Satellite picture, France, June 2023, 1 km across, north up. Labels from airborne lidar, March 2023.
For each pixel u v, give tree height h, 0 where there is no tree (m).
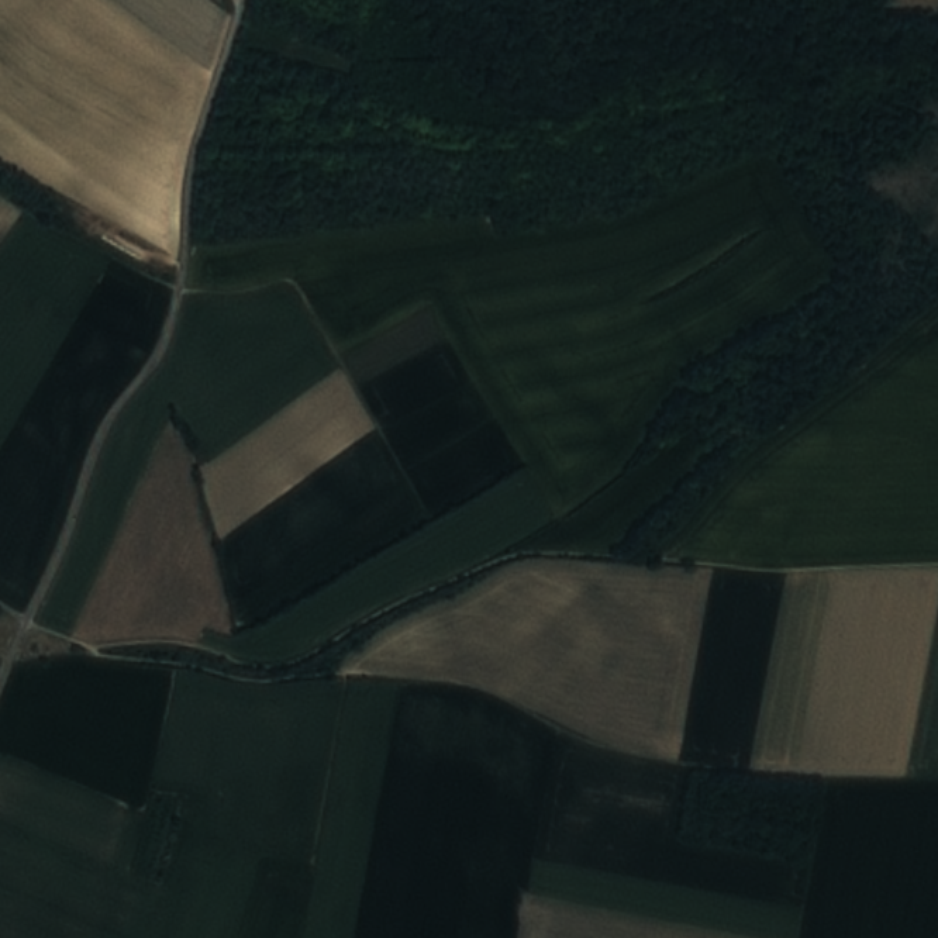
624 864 0
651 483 0
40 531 0
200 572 0
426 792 0
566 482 0
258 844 0
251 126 10
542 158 9
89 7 0
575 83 21
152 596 0
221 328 0
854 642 0
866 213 23
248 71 15
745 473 0
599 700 0
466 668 0
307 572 0
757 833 20
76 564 0
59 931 0
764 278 0
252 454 0
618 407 0
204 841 0
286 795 0
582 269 0
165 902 0
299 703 0
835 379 9
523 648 0
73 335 0
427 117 12
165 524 0
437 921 0
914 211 24
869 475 0
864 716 0
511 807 0
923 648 0
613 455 0
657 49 19
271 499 0
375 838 0
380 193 8
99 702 0
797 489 0
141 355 0
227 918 0
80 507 0
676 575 0
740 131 10
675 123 10
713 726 0
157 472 0
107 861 0
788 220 0
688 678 0
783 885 0
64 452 0
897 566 0
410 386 0
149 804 0
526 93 17
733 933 0
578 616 0
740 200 0
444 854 0
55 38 0
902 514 0
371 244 0
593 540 0
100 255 0
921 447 0
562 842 0
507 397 0
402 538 10
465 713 0
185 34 0
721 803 16
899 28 16
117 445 0
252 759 0
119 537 0
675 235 0
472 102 8
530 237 0
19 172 8
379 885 0
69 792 0
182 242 0
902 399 0
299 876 0
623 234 0
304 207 14
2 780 0
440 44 16
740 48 22
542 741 0
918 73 9
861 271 19
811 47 21
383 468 0
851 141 19
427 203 11
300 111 10
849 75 8
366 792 0
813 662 0
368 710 0
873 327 23
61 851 0
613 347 0
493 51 23
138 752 0
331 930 0
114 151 0
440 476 0
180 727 0
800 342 23
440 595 6
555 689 0
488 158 5
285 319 0
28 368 0
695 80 16
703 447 9
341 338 0
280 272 0
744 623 0
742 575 0
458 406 0
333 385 0
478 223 0
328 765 0
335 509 0
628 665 0
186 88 0
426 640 0
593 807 0
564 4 16
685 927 0
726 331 0
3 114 0
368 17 8
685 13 18
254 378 0
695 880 0
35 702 0
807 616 0
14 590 0
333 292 0
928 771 0
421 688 0
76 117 0
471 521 0
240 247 0
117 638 0
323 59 0
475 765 0
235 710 0
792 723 0
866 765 0
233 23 0
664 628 0
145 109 0
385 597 0
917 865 0
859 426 0
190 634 0
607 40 16
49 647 0
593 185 12
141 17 0
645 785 0
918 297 10
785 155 20
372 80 7
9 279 0
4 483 0
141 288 0
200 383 0
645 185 17
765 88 20
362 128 13
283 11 13
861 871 0
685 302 0
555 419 0
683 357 0
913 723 0
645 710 0
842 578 0
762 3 22
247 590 0
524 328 0
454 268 0
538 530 0
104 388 0
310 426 0
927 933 0
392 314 0
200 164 11
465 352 0
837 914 0
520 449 0
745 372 11
